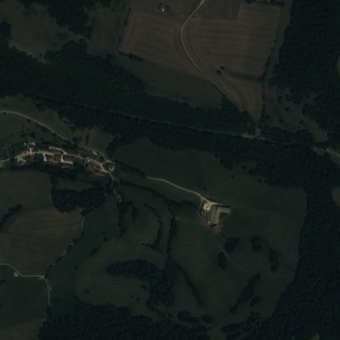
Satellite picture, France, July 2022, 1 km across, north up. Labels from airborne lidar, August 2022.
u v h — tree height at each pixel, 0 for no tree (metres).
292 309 26
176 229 13
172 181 0
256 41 0
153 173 0
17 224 0
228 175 0
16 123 0
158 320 0
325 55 15
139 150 0
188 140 21
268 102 0
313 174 22
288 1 0
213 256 0
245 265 0
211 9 0
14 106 0
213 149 22
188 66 0
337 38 11
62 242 0
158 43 0
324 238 23
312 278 26
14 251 0
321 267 23
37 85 17
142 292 0
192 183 0
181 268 10
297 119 0
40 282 0
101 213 0
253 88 0
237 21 0
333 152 0
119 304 0
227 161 16
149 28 0
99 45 0
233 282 0
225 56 0
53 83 17
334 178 20
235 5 0
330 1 23
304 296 32
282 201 0
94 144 0
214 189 0
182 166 0
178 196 0
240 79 0
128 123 20
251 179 0
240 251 0
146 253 0
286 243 0
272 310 0
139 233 0
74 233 0
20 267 0
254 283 20
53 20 0
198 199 0
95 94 17
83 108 20
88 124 23
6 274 0
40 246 0
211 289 0
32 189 0
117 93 12
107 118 20
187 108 11
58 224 0
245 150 21
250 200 0
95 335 28
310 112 12
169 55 0
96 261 0
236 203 0
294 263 0
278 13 0
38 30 0
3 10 0
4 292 0
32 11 0
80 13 11
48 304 0
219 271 0
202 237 0
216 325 0
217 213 0
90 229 0
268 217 0
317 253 28
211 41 0
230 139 16
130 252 0
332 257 24
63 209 20
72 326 28
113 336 28
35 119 0
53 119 0
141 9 0
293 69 15
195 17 0
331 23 18
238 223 0
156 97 9
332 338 16
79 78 12
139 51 0
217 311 0
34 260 0
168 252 11
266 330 28
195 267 0
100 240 0
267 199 0
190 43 0
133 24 0
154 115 14
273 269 14
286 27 0
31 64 19
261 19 0
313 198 23
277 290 0
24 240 0
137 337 35
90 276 0
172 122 17
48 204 0
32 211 0
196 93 0
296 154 19
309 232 22
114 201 0
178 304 0
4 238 0
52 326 17
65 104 23
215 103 0
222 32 0
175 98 0
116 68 16
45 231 0
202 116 12
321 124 16
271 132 12
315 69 17
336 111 21
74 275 0
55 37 0
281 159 21
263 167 21
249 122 6
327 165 13
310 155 21
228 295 0
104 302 0
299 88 14
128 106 14
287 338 27
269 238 0
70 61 9
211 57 0
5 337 0
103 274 0
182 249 0
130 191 0
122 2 0
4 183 0
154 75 0
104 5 10
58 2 16
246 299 16
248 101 0
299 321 30
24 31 0
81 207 12
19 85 24
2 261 0
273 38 0
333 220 26
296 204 0
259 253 0
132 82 14
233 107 11
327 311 34
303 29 20
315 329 13
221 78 0
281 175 24
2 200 0
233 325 15
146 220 0
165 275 28
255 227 0
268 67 12
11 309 0
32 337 0
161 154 0
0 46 16
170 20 0
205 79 0
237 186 0
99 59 16
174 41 0
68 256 0
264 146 16
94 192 11
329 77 13
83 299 0
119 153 0
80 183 0
